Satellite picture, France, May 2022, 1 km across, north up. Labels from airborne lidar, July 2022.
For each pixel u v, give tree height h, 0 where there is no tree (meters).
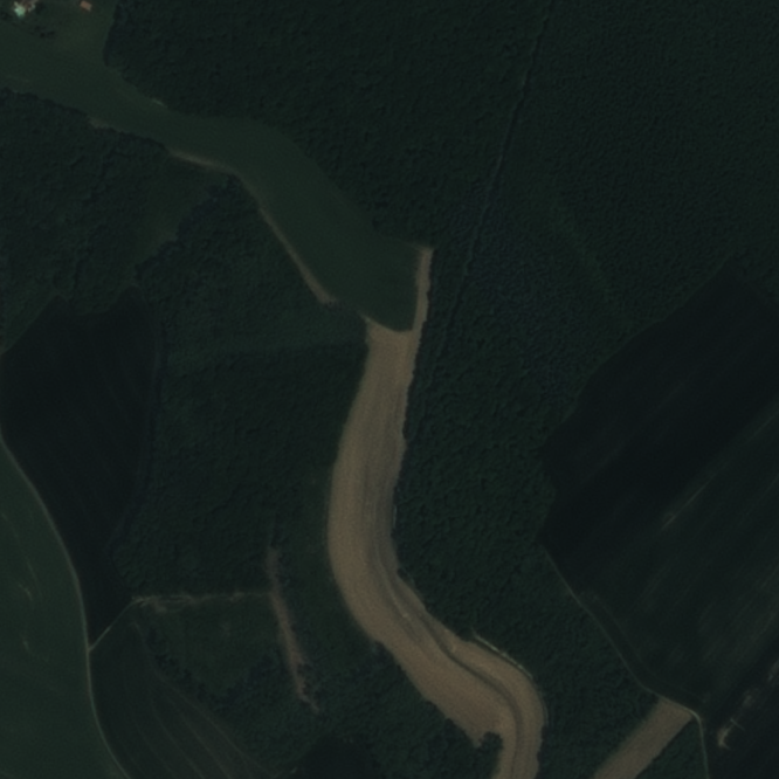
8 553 0
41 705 0
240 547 30
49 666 0
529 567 21
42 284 25
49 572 0
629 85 19
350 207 0
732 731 0
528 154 11
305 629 25
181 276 21
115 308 0
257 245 19
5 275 23
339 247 0
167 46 29
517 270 19
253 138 0
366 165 25
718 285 0
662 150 17
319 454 21
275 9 30
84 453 0
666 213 18
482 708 0
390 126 24
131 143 24
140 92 13
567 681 14
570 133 16
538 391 17
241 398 24
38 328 0
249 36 22
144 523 21
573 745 19
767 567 0
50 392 0
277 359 24
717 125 14
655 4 17
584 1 14
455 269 14
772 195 16
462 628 18
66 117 23
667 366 0
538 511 21
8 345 11
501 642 14
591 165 20
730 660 0
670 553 0
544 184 13
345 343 18
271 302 22
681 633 0
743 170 13
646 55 18
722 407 0
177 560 26
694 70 15
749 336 0
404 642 0
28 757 0
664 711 0
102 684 0
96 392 0
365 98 24
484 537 19
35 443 0
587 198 19
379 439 0
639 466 0
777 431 0
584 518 0
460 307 18
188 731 0
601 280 18
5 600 0
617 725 18
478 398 18
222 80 25
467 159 25
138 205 31
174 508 20
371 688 23
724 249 16
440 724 11
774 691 0
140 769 0
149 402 0
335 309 20
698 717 0
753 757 0
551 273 22
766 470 0
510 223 18
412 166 20
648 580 0
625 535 0
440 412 19
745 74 17
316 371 20
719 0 16
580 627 16
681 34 15
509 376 20
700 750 14
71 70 0
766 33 15
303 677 17
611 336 19
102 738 0
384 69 23
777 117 16
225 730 0
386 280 0
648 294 18
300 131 17
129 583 13
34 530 0
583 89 14
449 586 20
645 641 0
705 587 0
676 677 0
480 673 0
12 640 0
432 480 19
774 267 20
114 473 0
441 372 21
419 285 0
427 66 19
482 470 15
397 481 0
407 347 0
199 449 19
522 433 21
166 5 24
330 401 22
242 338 20
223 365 23
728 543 0
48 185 26
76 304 26
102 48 0
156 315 14
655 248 20
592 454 0
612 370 0
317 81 24
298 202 0
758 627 0
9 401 0
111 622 0
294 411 23
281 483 21
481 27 22
